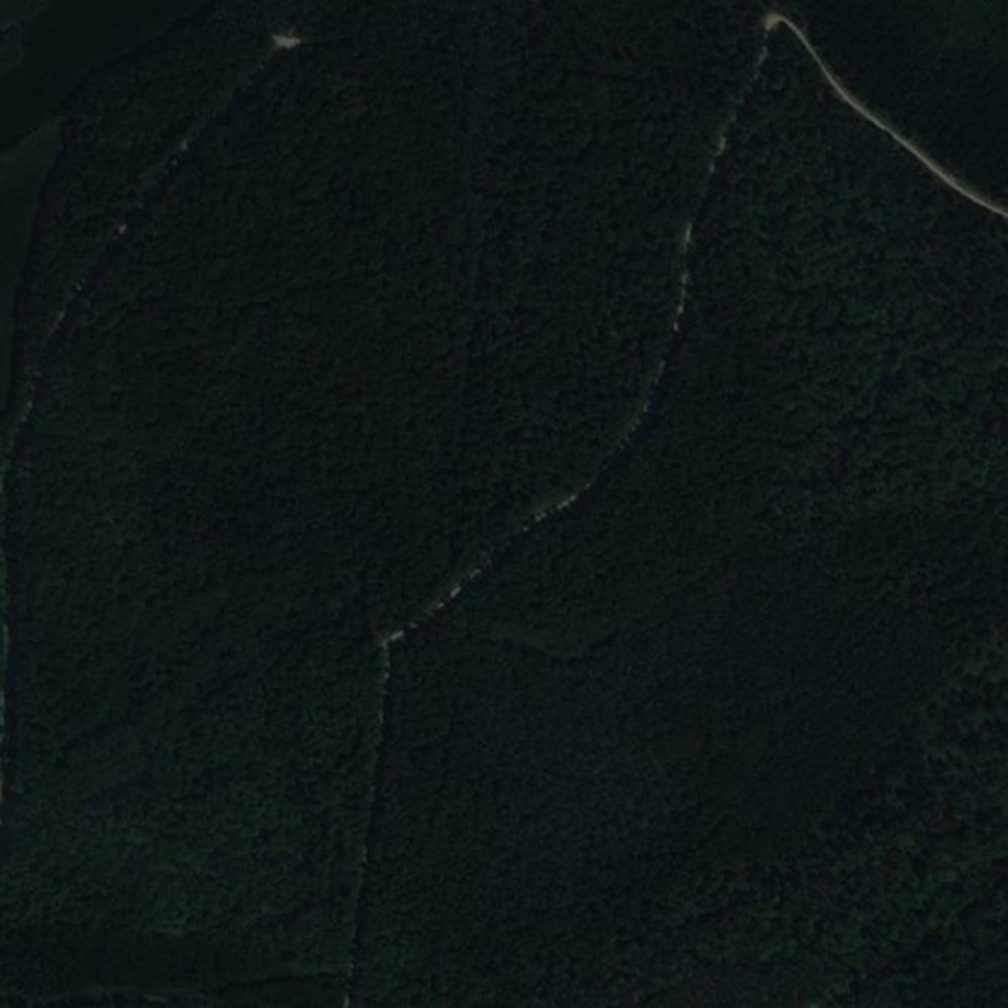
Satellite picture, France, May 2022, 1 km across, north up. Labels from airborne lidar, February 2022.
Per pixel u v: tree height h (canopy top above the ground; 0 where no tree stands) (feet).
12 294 0
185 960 43
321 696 88
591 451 72
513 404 68
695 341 83
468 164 74
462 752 68
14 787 91
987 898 54
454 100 73
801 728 40
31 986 66
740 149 92
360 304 94
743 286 98
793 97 104
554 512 0
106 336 74
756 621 52
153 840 87
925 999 77
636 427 0
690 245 0
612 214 90
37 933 64
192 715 77
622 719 54
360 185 89
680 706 51
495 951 79
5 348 0
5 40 53
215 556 74
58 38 0
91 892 77
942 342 142
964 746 101
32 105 0
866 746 36
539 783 47
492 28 82
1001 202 79
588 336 83
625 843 51
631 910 57
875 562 52
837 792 30
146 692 19
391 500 88
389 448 77
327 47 75
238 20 82
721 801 49
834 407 106
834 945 104
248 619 79
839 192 117
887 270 123
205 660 38
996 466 69
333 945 88
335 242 87
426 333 85
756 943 83
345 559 75
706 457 65
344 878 70
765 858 49
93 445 77
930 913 103
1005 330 116
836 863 34
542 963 58
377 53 63
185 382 78
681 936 91
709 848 66
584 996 94
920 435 109
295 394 76
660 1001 69
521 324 90
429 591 52
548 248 89
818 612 50
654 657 45
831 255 130
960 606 47
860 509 103
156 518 76
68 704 99
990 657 31
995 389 130
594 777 49
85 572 89
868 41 47
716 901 76
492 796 70
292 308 80
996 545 57
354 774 79
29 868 84
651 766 62
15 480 83
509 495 70
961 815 91
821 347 122
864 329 124
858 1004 89
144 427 82
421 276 91
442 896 73
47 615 85
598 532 77
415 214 91
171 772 80
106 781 0
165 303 83
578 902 63
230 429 66
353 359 89
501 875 67
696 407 83
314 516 85
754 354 94
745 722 53
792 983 82
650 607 57
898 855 88
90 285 0
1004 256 111
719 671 53
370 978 77
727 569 54
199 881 88
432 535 56
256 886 89
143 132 75
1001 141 47
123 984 52
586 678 67
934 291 109
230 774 81
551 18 28
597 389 68
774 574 53
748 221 104
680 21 36
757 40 95
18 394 50
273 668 84
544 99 86
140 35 0
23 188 0
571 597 79
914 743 34
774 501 85
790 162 109
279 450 70
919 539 28
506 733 71
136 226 82
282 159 91
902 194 86
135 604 77
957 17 68
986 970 59
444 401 66
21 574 88
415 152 88
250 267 83
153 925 71
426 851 64
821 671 46
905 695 44
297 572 71
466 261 67
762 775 56
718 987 81
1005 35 52
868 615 39
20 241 0
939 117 44
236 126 84
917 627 48
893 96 27
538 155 88
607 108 80
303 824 82
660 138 80
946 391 125
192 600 75
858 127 48
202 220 86
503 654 57
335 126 85
